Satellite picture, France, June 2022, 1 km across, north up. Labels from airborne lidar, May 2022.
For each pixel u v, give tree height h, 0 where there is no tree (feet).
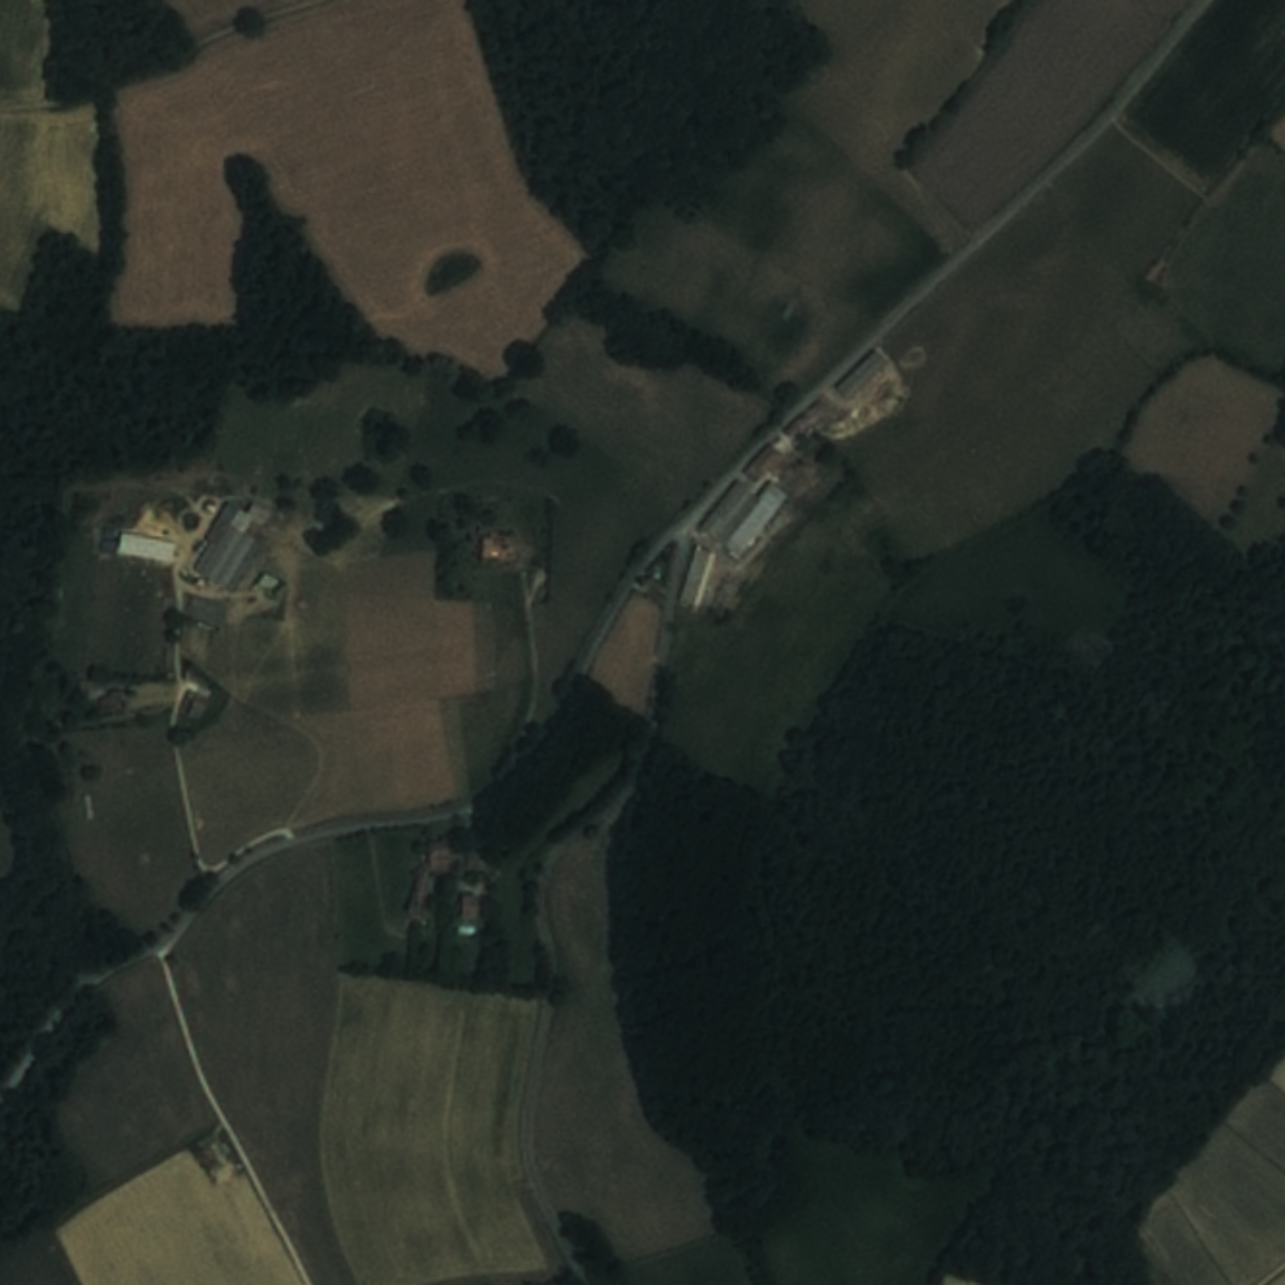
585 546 0
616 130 74
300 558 0
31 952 66
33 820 81
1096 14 0
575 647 0
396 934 0
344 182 0
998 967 31
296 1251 0
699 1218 0
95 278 21
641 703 0
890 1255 0
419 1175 0
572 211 61
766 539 0
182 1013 0
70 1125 0
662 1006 83
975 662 65
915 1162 65
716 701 0
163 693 0
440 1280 0
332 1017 0
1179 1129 80
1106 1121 75
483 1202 0
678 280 0
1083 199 0
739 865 98
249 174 94
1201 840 42
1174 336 0
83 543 0
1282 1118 0
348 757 0
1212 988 41
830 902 19
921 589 0
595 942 0
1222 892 26
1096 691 39
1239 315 0
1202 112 0
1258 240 0
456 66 0
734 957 91
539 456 45
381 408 0
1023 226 0
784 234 0
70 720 39
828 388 0
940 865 67
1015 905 49
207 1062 0
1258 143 25
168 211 0
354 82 0
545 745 70
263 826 0
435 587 0
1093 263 0
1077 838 55
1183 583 26
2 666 68
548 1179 0
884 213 0
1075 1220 79
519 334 0
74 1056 42
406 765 0
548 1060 0
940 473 0
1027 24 0
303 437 0
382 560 0
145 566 0
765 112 91
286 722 0
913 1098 70
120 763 0
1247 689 32
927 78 0
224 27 0
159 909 0
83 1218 0
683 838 90
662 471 0
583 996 0
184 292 0
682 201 67
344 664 0
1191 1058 42
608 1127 0
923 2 0
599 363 0
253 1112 0
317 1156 0
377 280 0
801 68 95
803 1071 43
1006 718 56
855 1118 85
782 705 0
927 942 68
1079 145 0
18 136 0
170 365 46
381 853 0
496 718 0
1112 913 38
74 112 0
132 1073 0
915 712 48
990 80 0
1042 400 0
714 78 92
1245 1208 0
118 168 64
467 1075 0
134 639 0
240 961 0
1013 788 51
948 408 0
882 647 75
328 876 0
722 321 0
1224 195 0
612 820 0
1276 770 58
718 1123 88
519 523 0
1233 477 0
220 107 0
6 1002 36
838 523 0
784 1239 0
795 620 0
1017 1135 72
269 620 0
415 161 0
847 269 0
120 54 55
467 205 0
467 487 0
